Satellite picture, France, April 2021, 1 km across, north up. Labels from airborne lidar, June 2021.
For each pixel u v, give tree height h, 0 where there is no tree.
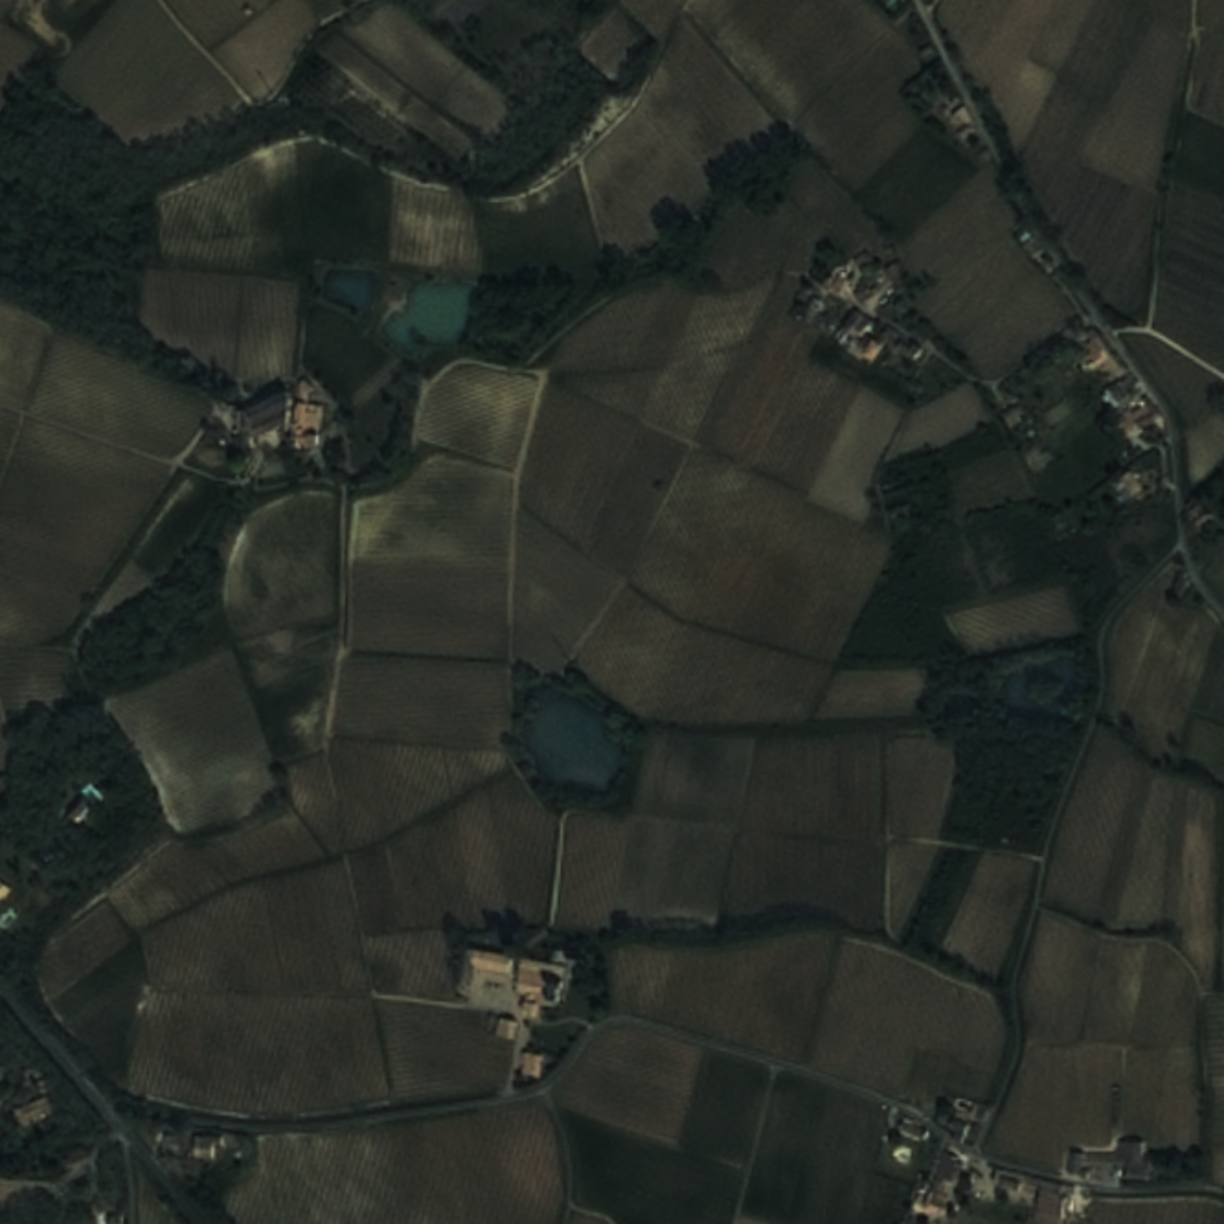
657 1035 0
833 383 0
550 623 0
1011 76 0
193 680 0
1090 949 0
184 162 17
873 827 0
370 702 0
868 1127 0
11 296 22
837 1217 0
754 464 0
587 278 0
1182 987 0
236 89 0
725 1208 0
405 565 0
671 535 0
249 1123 0
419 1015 0
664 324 0
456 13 0
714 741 0
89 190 24
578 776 0
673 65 0
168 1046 0
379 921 0
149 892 0
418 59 0
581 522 0
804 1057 0
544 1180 0
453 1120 0
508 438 0
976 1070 0
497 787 0
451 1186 0
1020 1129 0
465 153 0
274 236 0
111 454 0
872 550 0
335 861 0
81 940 0
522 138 11
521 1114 0
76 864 18
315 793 0
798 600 0
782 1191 0
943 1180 0
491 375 0
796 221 0
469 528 0
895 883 0
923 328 7
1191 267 0
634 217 0
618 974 0
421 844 0
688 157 0
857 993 0
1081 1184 0
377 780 0
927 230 0
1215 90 0
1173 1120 0
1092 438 0
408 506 0
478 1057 0
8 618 0
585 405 0
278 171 0
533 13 13
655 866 0
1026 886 0
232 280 0
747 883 0
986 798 6
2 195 21
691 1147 0
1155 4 0
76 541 0
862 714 0
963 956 0
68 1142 14
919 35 6
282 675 0
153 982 0
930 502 0
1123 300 0
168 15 0
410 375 15
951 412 0
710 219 10
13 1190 0
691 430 0
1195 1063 0
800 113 0
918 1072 0
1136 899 0
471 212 0
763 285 0
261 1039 0
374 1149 0
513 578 0
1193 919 0
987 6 0
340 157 0
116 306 15
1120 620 0
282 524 0
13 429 0
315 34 6
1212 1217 0
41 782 16
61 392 0
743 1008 0
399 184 0
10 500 0
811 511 0
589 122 6
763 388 0
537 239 0
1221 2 0
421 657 0
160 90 0
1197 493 7
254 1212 0
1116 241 0
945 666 8
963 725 18
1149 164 0
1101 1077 0
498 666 0
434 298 0
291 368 0
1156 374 0
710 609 0
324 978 0
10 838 15
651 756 0
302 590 0
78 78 0
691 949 15
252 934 0
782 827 0
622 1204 0
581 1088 0
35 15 0
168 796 0
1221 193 0
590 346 0
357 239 0
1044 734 19
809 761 0
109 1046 0
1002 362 0
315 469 7
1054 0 0
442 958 0
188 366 11
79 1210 12
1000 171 0
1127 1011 0
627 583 0
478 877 0
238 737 0
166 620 21
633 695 0
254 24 0
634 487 0
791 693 0
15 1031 15
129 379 0
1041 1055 0
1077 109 0
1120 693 0
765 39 0
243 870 0
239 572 0
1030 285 0
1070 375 0
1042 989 0
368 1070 0
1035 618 0
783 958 0
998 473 0
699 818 0
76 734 23
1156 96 0
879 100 0
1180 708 0
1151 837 0
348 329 0
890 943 11
